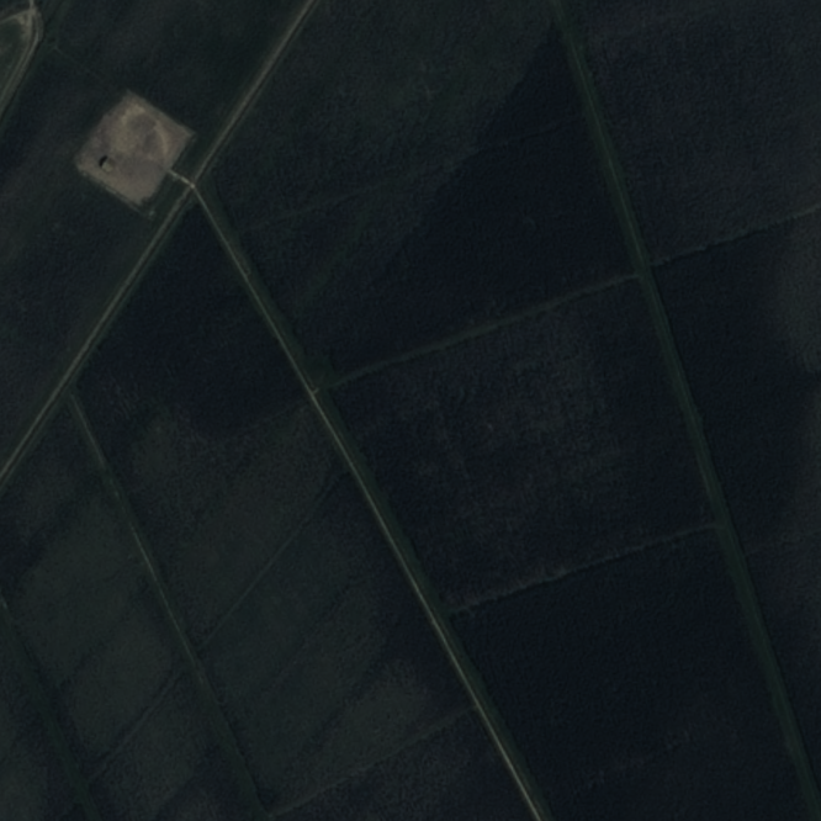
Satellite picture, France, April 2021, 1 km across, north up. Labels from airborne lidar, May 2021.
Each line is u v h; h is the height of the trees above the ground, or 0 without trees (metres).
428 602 0
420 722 8
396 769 9
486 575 16
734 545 0
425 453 12
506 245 14
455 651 0
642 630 15
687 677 15
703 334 17
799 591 9
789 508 16
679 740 14
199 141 0
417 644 13
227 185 7
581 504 13
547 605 15
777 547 11
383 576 9
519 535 12
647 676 16
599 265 12
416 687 7
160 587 0
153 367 9
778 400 16
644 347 15
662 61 10
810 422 13
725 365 15
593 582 16
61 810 9
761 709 13
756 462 16
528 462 13
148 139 0
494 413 11
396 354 12
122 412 8
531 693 15
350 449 0
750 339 14
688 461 12
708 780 11
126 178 0
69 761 0
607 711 17
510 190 14
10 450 0
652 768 13
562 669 15
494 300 10
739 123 10
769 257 12
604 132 0
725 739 12
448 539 11
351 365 13
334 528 6
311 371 0
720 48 9
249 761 9
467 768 7
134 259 0
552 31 10
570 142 15
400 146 7
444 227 15
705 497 11
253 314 11
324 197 6
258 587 0
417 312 11
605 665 17
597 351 11
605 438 11
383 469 13
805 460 14
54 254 8
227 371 13
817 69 8
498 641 16
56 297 6
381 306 11
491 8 8
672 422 17
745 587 0
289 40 0
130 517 0
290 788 8
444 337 14
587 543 16
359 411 13
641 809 12
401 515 12
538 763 14
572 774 14
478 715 10
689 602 17
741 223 8
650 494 14
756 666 13
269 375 14
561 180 13
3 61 0
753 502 16
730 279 13
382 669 9
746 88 10
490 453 13
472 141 7
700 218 7
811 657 11
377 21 7
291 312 9
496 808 10
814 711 13
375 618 8
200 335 11
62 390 0
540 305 13
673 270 16
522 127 14
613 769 13
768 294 11
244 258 0
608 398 13
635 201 10
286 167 8
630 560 17
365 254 7
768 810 16
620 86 9
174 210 0
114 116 0
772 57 10
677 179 7
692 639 15
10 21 0
